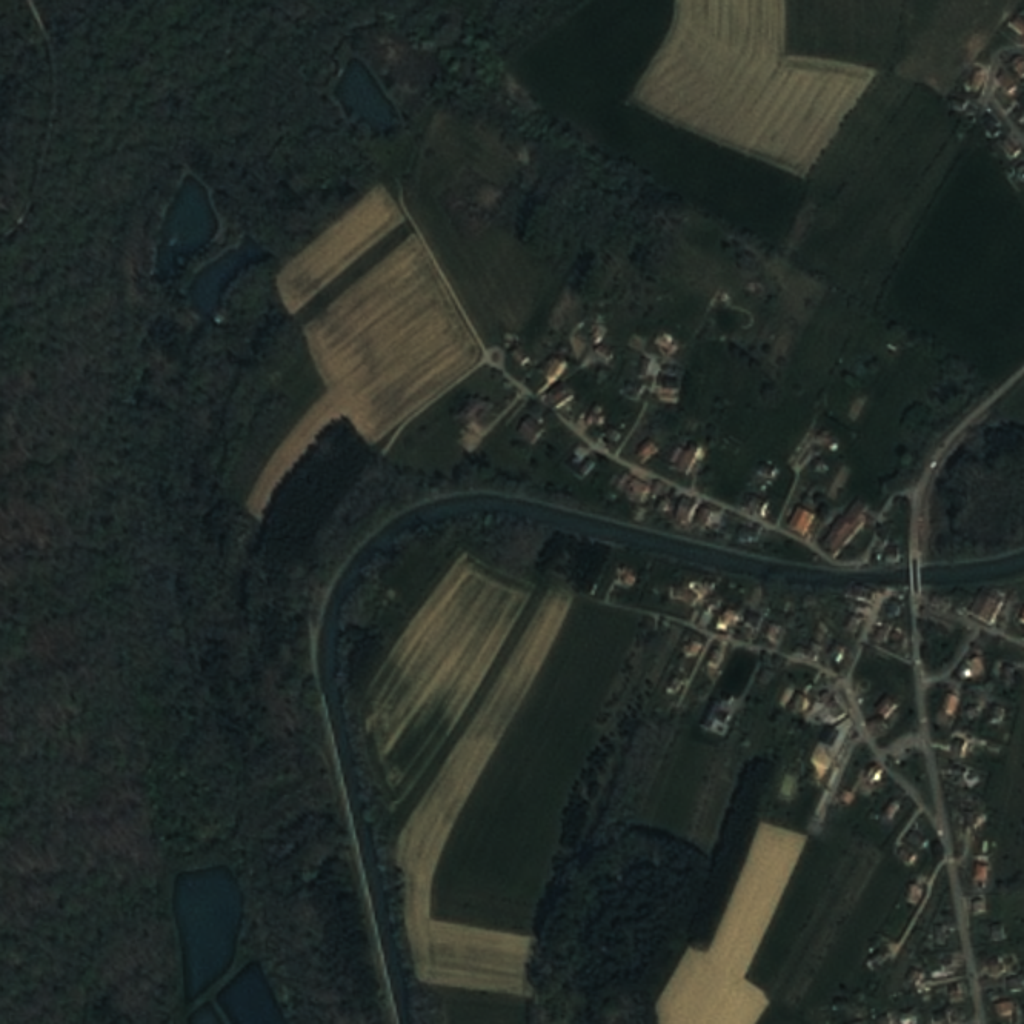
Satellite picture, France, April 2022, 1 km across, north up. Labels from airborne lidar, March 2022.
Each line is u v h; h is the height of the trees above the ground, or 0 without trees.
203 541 20
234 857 15
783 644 0
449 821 0
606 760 8
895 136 0
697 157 0
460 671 0
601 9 0
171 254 0
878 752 0
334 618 0
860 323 0
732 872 15
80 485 25
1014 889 12
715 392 0
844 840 0
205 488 18
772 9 0
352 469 18
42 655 11
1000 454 21
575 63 0
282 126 22
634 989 33
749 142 0
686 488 0
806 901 0
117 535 28
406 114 0
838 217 0
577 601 0
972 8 0
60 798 28
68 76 26
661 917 32
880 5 0
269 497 0
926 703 0
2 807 25
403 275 0
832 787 0
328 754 25
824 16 0
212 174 23
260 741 22
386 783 0
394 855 14
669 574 0
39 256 24
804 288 0
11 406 27
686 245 0
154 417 24
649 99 0
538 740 0
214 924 0
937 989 0
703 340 9
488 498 0
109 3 17
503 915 0
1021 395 0
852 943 0
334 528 20
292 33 22
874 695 0
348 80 0
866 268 0
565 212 23
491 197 0
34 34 14
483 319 0
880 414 0
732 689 0
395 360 0
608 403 0
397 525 0
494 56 15
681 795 0
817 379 0
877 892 0
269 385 21
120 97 24
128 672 22
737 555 0
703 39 0
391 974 0
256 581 17
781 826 0
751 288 0
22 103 24
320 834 22
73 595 26
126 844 29
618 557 0
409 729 0
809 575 0
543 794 0
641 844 29
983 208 0
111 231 22
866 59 0
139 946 29
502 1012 0
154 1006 24
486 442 0
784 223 0
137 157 23
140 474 28
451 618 0
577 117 0
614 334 0
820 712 0
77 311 28
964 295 0
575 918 32
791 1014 0
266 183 21
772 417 0
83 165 24
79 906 26
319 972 23
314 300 0
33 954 24
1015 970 0
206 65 25
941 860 11
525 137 8
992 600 0
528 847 0
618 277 0
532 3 22
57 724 25
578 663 0
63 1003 26
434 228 0
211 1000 0
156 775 10
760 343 0
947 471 8
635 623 0
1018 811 0
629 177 21
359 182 23
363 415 0
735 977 0
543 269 0
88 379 24
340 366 0
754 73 0
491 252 0
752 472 0
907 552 0
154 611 22
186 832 6
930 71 0
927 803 0
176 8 23
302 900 22
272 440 13
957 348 0
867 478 0
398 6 19
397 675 0
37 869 29
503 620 0
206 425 25
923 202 0
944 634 9
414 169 0
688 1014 0
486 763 0
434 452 0
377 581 18
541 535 20
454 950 0
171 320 18
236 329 7
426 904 0
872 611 0
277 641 23
